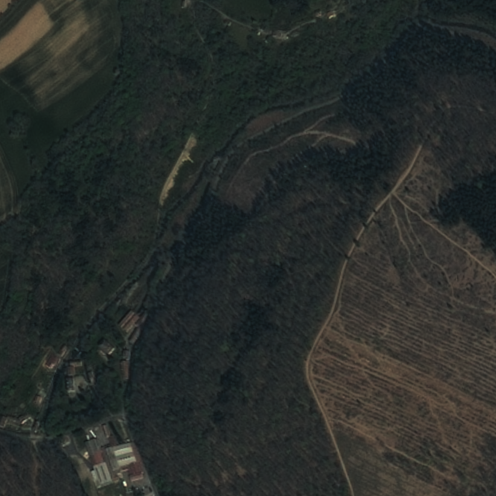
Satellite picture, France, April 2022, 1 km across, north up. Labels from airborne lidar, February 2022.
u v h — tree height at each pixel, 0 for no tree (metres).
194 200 0
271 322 23
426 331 0
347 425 0
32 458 27
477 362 0
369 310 0
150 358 27
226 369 27
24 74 0
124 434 0
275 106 27
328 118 0
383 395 0
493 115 27
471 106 30
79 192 11
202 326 28
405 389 0
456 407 0
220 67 24
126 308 0
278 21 0
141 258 0
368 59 28
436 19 12
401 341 0
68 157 25
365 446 0
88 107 0
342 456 0
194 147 0
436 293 0
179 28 27
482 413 0
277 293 29
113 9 0
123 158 20
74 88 0
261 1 0
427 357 0
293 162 0
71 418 21
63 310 33
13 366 32
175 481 31
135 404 27
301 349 28
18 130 27
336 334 0
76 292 36
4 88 0
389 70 31
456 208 25
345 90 18
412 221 0
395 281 0
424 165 0
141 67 29
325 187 30
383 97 25
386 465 0
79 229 17
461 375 0
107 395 26
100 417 36
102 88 0
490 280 0
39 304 35
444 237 0
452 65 31
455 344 0
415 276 0
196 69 12
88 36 0
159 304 23
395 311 0
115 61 0
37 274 11
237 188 0
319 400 0
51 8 0
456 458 0
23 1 0
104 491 0
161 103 34
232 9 0
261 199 0
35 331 29
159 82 27
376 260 0
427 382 0
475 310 0
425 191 0
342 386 0
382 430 0
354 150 0
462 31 0
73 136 23
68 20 0
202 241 26
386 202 0
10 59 0
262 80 7
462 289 0
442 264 0
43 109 0
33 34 0
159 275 19
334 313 0
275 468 29
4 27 0
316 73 16
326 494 22
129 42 24
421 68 31
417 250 0
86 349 26
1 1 0
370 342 0
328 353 0
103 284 12
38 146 0
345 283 0
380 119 21
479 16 22
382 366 0
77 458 0
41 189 33
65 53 0
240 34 0
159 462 28
